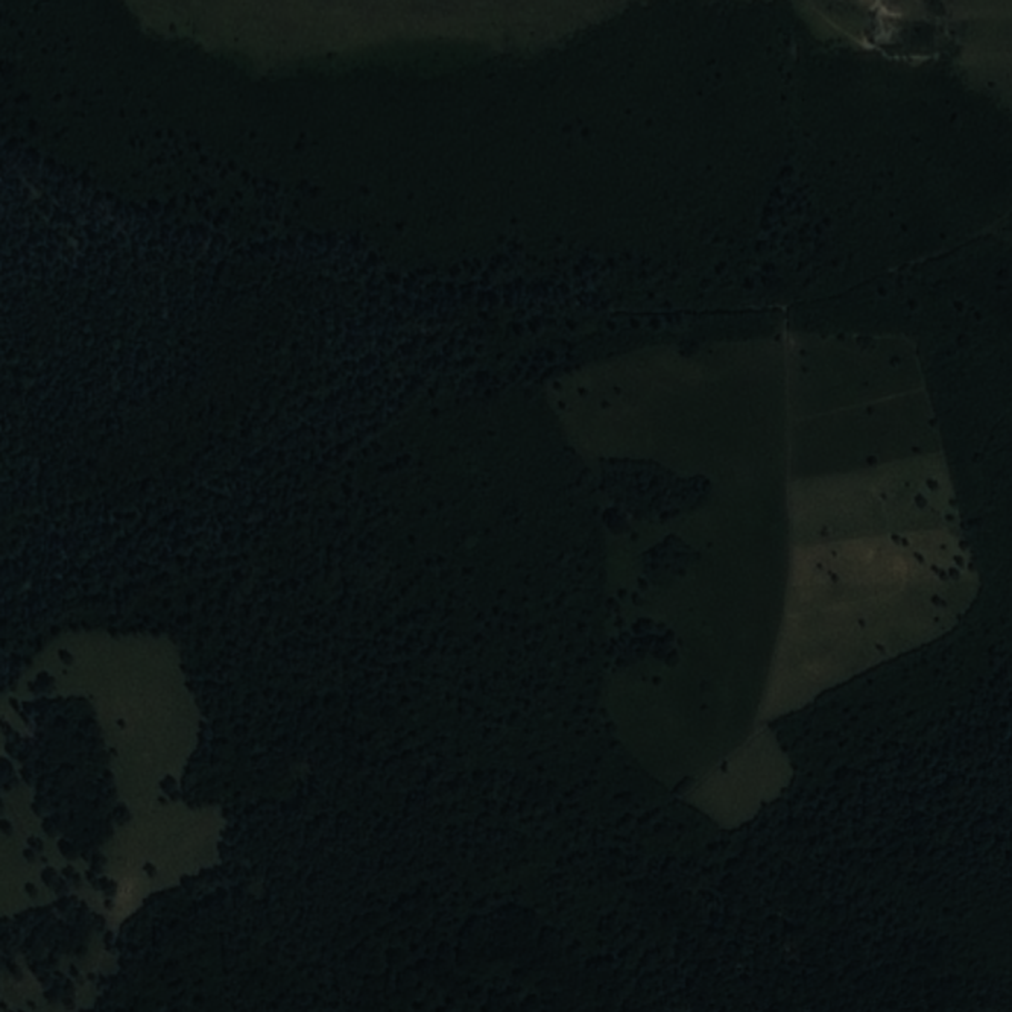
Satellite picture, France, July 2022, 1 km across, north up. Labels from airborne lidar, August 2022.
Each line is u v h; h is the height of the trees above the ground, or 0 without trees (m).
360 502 8
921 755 12
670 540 6
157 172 9
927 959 19
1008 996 11
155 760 0
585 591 7
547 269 6
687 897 14
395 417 14
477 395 14
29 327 19
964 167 5
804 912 18
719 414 0
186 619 18
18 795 0
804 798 13
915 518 0
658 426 0
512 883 6
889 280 7
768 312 6
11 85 10
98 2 6
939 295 6
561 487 6
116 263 14
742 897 15
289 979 8
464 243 6
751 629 0
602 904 7
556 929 11
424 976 16
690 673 0
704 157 5
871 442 0
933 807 16
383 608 20
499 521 9
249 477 17
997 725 17
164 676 0
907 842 16
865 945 16
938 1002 21
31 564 22
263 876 14
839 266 11
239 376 15
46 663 0
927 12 0
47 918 18
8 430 19
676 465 0
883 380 0
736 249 5
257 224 7
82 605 15
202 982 14
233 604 16
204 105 6
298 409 19
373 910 17
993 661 11
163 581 17
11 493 17
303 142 10
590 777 8
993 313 6
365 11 0
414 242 6
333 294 16
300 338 16
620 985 21
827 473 0
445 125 6
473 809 9
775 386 0
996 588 6
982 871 10
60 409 16
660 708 0
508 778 11
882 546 0
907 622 0
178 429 16
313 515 9
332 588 18
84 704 7
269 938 8
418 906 18
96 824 16
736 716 0
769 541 0
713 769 0
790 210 19
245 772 7
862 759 7
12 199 19
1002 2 0
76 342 15
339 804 14
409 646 16
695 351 10
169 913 11
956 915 8
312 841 15
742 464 0
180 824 0
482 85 6
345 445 17
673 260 7
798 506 0
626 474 11
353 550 17
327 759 17
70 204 29
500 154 6
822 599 0
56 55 6
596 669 5
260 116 6
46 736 18
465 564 6
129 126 6
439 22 0
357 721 8
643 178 6
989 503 8
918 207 6
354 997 13
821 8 0
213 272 10
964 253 6
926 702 5
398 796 11
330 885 18
